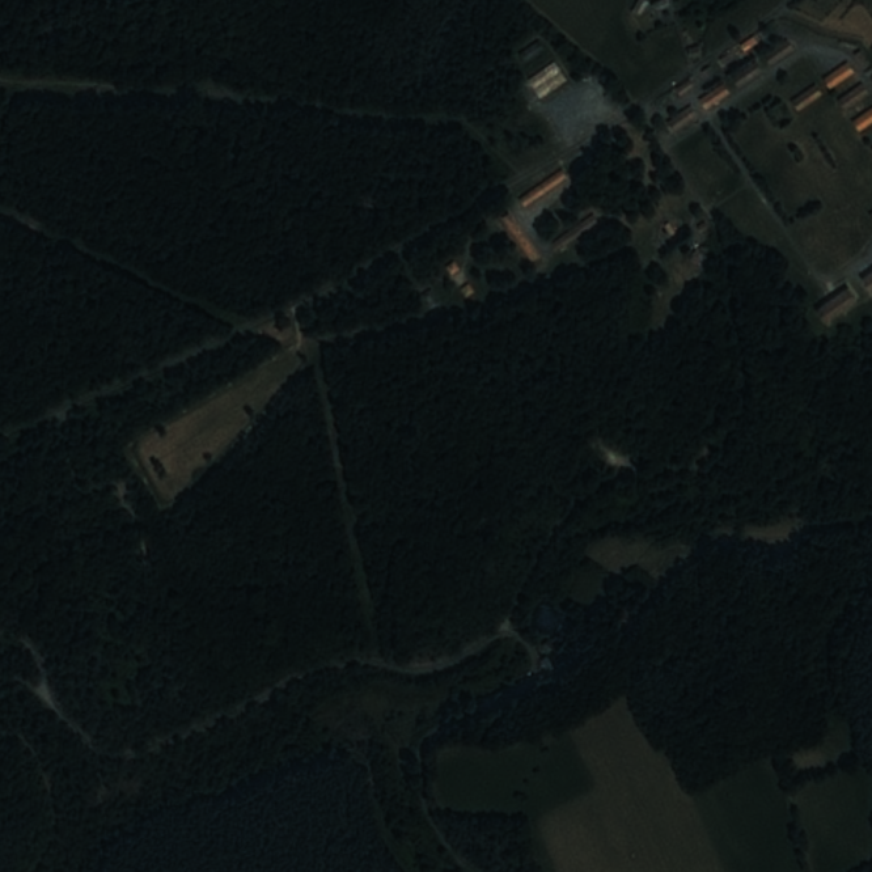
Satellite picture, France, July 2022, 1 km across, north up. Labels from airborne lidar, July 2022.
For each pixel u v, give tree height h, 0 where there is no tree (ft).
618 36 0
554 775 0
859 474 67
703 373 88
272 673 31
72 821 63
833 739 0
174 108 79
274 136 70
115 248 74
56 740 58
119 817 63
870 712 57
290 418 91
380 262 67
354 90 67
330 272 73
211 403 0
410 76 61
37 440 49
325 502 69
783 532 0
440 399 77
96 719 57
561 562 69
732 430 46
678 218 0
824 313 0
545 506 47
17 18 79
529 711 85
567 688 77
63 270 74
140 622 71
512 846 44
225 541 69
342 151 59
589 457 25
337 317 78
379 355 73
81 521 23
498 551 64
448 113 72
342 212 75
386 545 61
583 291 81
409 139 66
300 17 78
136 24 74
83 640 46
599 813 0
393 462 65
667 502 44
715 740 86
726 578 63
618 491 48
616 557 0
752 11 0
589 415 81
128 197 82
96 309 83
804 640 71
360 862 59
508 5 69
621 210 54
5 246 81
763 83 0
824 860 0
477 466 72
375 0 82
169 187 65
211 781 54
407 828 21
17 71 23
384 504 69
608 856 0
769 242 0
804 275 0
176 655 65
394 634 61
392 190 76
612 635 93
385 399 69
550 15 0
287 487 75
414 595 61
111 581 32
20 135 87
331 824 56
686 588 76
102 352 76
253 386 0
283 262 76
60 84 0
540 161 0
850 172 0
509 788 0
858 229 0
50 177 77
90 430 36
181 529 44
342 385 70
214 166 87
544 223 55
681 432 72
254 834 69
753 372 89
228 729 72
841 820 0
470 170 64
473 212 95
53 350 66
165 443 0
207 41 71
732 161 45
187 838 71
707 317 92
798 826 47
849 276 0
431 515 59
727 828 0
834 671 65
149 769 52
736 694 92
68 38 85
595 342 61
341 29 77
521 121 0
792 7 21
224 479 62
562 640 47
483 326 88
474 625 48
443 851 42
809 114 0
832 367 52
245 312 51
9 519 56
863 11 0
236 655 62
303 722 33
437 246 48
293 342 0
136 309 71
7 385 66
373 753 40
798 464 60
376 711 0
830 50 0
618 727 0
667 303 0
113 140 84
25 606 78
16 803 59
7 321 81
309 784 80
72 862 48
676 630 76
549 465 54
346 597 69
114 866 76
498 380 74
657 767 0
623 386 81
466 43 77
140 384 52
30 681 63
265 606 55
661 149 53
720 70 0
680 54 0
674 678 72
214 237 69
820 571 63
